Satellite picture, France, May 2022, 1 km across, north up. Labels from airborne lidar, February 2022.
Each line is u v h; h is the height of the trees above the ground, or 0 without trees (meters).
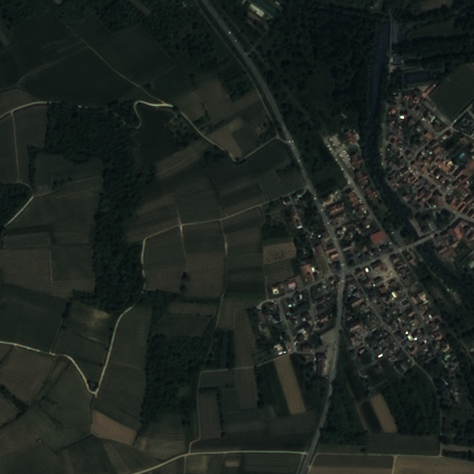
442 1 0
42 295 0
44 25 0
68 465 0
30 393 0
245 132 0
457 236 0
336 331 0
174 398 14
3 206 9
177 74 0
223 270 0
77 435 0
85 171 0
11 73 0
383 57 0
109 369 0
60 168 0
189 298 0
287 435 0
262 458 0
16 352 0
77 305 0
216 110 0
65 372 0
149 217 0
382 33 0
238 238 0
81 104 0
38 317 0
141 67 0
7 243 0
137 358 0
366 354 6
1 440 0
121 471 0
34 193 0
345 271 0
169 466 0
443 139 0
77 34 0
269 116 0
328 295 0
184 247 0
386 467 0
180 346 6
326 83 0
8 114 0
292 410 0
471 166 0
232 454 0
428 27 0
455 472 0
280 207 0
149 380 11
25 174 0
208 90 0
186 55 0
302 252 7
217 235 0
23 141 0
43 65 0
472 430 13
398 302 0
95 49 0
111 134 11
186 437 0
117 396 0
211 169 0
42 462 0
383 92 15
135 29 0
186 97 0
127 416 0
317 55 19
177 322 0
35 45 0
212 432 0
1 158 0
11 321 0
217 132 0
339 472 0
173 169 0
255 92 0
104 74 0
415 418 10
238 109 0
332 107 0
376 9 0
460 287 16
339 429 10
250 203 0
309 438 0
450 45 18
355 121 0
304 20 13
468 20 12
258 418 0
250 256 0
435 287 0
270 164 0
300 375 0
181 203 0
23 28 0
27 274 0
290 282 0
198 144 0
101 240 8
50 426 0
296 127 16
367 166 10
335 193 0
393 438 0
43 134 0
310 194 12
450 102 0
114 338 0
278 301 0
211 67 14
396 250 0
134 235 0
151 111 0
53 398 0
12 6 7
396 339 0
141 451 0
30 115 0
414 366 0
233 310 0
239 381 0
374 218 0
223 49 0
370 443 0
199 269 0
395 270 0
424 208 0
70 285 0
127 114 13
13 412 0
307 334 0
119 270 24
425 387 6
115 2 7
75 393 0
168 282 0
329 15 21
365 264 0
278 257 0
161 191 0
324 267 0
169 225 0
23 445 0
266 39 0
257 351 0
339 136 0
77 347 0
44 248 0
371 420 0
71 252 0
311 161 0
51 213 0
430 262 13
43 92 0
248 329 0
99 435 0
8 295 0
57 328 0
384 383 0
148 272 0
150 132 0
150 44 0
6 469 0
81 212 0
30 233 0
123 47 0
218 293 0
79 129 9
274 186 0
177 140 5
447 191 0
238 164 6
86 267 0
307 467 0
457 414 0
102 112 8
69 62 0
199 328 0
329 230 0
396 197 6
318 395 0
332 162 0
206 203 0
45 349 0
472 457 8
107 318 0
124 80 0
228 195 0
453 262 0
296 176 0
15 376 0
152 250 0
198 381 0
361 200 0
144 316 0
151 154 0
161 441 0
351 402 0
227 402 0
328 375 0
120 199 14
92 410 0
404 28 0
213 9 0
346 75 16
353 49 19
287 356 0
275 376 0
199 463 0
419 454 0
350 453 0
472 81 0
